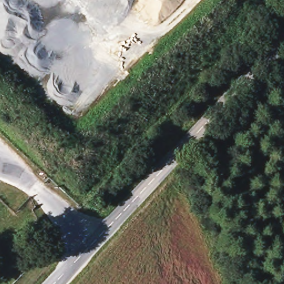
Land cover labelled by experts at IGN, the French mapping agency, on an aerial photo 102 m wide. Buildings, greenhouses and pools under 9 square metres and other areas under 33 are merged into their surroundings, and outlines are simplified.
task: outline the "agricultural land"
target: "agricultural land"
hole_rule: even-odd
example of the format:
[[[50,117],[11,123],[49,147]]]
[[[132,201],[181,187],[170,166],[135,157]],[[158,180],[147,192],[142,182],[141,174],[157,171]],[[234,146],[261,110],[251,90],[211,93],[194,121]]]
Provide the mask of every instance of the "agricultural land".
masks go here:
[[[131,222],[131,229],[128,227],[109,251],[103,246],[71,284],[225,284],[223,273],[213,264],[211,251],[205,244],[206,237],[200,224],[201,217],[195,213],[191,212],[190,206],[187,207],[180,200],[175,191],[175,182],[172,181],[158,197],[155,197],[148,209],[136,216]]]

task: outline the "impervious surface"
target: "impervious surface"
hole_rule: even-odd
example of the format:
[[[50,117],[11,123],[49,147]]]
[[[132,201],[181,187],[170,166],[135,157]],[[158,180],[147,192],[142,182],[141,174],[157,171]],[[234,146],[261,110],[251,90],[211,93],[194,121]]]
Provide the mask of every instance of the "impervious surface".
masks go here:
[[[223,103],[233,99],[240,84],[253,79],[252,73],[246,73],[232,81],[230,89],[217,101]]]
[[[79,209],[70,210],[69,203],[41,183],[20,156],[0,139],[0,181],[18,187],[41,204],[44,213],[35,222],[49,223],[57,227],[63,235],[63,255],[67,260],[58,263],[55,270],[45,278],[45,284],[71,284],[103,246],[102,241],[108,241],[128,220],[136,207],[140,206],[164,177],[174,170],[176,163],[173,161],[163,169],[153,172],[148,179],[134,187],[128,201],[115,207],[105,219],[88,207]]]

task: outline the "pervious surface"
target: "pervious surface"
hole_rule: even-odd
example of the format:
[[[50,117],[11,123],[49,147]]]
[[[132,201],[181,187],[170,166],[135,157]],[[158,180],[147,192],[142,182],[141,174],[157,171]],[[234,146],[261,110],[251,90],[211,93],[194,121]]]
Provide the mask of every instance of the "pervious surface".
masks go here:
[[[64,113],[73,115],[78,120],[89,114],[112,88],[128,77],[129,68],[133,63],[145,52],[152,53],[158,39],[180,23],[201,0],[0,0],[0,52],[10,55],[14,63],[39,81],[50,100],[57,102],[62,106]]]

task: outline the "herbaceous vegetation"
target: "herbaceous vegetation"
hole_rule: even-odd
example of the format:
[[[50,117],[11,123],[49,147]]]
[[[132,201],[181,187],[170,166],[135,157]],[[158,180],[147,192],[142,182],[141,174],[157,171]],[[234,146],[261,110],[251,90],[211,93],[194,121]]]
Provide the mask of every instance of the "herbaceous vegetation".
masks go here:
[[[78,202],[71,199],[62,187],[57,185],[55,179],[58,173],[64,170],[77,174],[82,169],[82,164],[77,161],[79,151],[61,148],[57,139],[50,135],[42,135],[40,130],[32,132],[30,139],[27,140],[20,134],[16,125],[11,125],[0,118],[0,139],[20,156],[41,183],[69,203],[70,210],[79,209]]]
[[[174,170],[164,177],[140,206],[136,207],[128,220],[108,241],[102,241],[103,246],[109,251],[128,227],[131,229],[131,222],[136,216],[148,209],[155,197],[158,197],[172,181],[175,182],[175,191],[180,200],[187,207],[190,206],[191,212],[195,213],[194,199],[197,192],[191,189],[189,180],[182,180]]]
[[[33,268],[29,272],[19,271],[17,253],[13,252],[13,235],[30,222],[35,222],[44,213],[41,204],[18,187],[0,181],[0,284],[45,284],[45,278],[55,270],[58,263]]]
[[[142,73],[151,67],[154,60],[164,53],[170,54],[177,42],[186,33],[194,32],[196,23],[204,17],[209,17],[222,0],[201,0],[180,23],[158,39],[152,53],[145,52],[133,63],[129,68],[128,77],[112,88],[89,114],[78,120],[74,125],[78,131],[97,130],[99,120],[103,119],[103,116],[109,118],[113,106],[120,103],[121,95],[128,95],[131,89],[135,88]]]

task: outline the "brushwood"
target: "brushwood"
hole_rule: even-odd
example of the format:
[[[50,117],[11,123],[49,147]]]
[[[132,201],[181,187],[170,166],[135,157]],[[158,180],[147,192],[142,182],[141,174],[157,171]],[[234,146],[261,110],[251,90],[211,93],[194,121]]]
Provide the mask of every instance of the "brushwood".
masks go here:
[[[115,207],[108,206],[105,209],[102,195],[104,189],[116,194],[124,185],[114,180],[114,174],[116,166],[124,159],[126,150],[140,149],[144,144],[149,145],[156,136],[159,125],[165,121],[172,121],[183,129],[184,121],[192,120],[186,108],[192,101],[205,100],[205,97],[200,95],[200,89],[205,83],[205,70],[213,67],[227,51],[235,47],[232,40],[236,37],[236,30],[244,29],[247,14],[260,11],[266,0],[222,0],[209,17],[204,17],[196,23],[194,32],[186,33],[177,42],[170,54],[164,53],[154,60],[151,67],[142,73],[135,88],[131,89],[128,95],[121,95],[120,103],[113,106],[109,118],[103,116],[103,119],[99,120],[97,130],[78,131],[74,125],[78,120],[73,115],[64,113],[62,106],[57,102],[50,100],[39,81],[14,63],[10,55],[0,52],[0,118],[11,125],[16,125],[20,134],[27,140],[30,139],[32,132],[40,130],[42,135],[50,135],[57,139],[61,148],[79,151],[77,161],[82,164],[82,169],[77,174],[64,170],[58,173],[55,179],[57,185],[62,187],[71,199],[78,202],[79,209],[88,207],[105,219]]]

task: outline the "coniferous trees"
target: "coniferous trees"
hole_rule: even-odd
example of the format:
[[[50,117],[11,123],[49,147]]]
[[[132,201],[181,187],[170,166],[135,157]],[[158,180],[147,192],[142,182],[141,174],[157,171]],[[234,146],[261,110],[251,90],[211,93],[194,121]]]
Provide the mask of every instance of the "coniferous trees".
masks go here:
[[[211,154],[213,160],[219,162],[215,170],[205,166],[203,186],[204,191],[212,196],[210,217],[221,226],[221,233],[217,235],[221,244],[220,250],[231,256],[244,255],[243,272],[253,275],[252,284],[284,284],[284,92],[275,89],[264,104],[257,105],[256,119],[251,129],[237,133],[235,140],[230,136],[223,140],[213,138],[214,148],[211,149],[210,144],[206,144],[204,150]]]

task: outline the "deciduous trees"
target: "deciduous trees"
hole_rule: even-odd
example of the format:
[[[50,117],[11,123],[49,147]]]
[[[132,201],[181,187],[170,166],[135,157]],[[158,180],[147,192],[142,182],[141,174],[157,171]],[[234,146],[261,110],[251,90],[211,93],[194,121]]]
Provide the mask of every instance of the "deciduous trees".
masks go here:
[[[57,227],[49,223],[35,222],[30,222],[13,235],[13,252],[17,253],[19,271],[29,272],[33,268],[58,263],[67,260],[63,255],[63,235]]]
[[[191,189],[197,192],[194,199],[195,213],[201,217],[200,224],[206,237],[205,244],[211,251],[213,264],[223,273],[225,284],[252,284],[253,275],[243,272],[244,255],[231,256],[220,250],[221,244],[217,235],[221,233],[221,226],[210,217],[212,196],[204,191],[203,186],[205,166],[215,170],[219,162],[213,160],[211,154],[204,150],[206,144],[210,144],[211,149],[214,148],[213,138],[223,140],[230,136],[235,140],[237,133],[251,129],[256,119],[257,105],[264,104],[275,89],[284,92],[284,0],[266,0],[260,11],[247,14],[244,29],[236,30],[236,37],[232,40],[235,47],[227,51],[213,67],[205,70],[205,83],[200,89],[200,95],[205,97],[205,100],[192,101],[186,108],[192,120],[184,121],[183,129],[172,121],[165,121],[159,125],[156,136],[149,145],[144,144],[140,149],[126,150],[124,159],[116,166],[114,174],[114,180],[124,185],[116,194],[104,189],[102,195],[105,209],[108,206],[115,207],[128,201],[134,187],[148,179],[153,172],[163,169],[173,161],[176,163],[174,170],[182,180],[189,180]],[[240,84],[233,99],[223,103],[217,101],[230,89],[232,81],[246,73],[252,73],[253,79]]]

